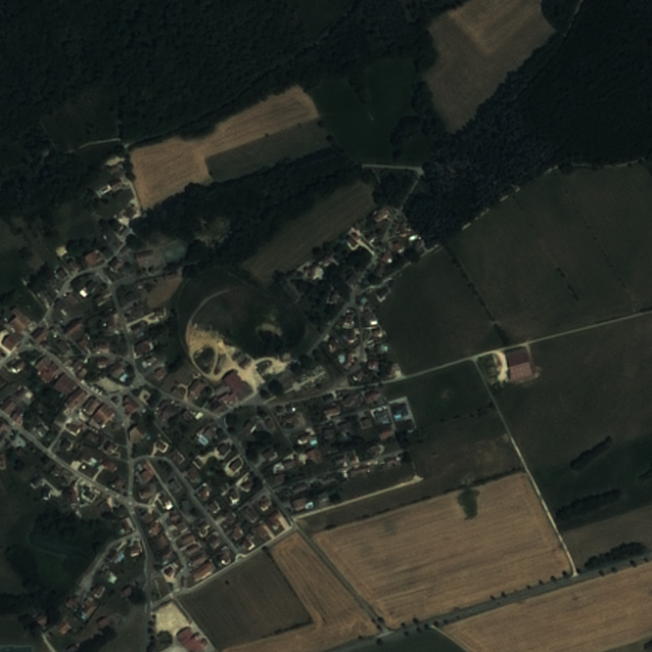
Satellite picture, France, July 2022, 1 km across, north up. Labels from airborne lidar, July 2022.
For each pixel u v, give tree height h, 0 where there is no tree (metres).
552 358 0
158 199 0
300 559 0
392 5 20
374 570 0
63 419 0
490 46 0
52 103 24
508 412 0
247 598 0
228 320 0
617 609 0
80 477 0
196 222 21
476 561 0
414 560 0
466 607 0
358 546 0
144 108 28
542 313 0
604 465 0
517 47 0
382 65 0
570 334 0
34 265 0
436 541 0
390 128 0
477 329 0
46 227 6
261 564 0
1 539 0
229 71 16
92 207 7
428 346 0
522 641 0
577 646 0
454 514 0
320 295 8
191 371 0
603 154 7
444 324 0
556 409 0
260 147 0
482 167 18
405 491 0
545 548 0
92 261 0
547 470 0
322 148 0
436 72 0
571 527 0
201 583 0
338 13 0
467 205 13
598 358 0
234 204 20
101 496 0
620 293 0
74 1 18
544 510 0
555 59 13
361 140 0
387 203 22
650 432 0
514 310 0
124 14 25
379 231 8
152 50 24
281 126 0
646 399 0
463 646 0
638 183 0
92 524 11
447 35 0
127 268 10
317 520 0
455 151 16
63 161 22
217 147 0
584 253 0
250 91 14
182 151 0
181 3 20
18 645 0
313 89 22
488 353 0
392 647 0
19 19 23
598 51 9
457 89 0
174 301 0
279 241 0
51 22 19
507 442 0
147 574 0
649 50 8
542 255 0
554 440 0
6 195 17
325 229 0
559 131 9
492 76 0
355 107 0
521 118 26
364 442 15
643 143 7
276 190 16
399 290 0
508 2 0
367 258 21
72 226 0
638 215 0
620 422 0
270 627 0
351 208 0
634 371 0
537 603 0
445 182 28
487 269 0
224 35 17
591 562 10
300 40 17
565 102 8
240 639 0
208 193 18
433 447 0
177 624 0
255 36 19
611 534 0
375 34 18
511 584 0
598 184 0
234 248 32
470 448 0
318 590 0
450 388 0
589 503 16
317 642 0
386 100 0
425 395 0
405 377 0
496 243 0
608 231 0
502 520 0
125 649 0
